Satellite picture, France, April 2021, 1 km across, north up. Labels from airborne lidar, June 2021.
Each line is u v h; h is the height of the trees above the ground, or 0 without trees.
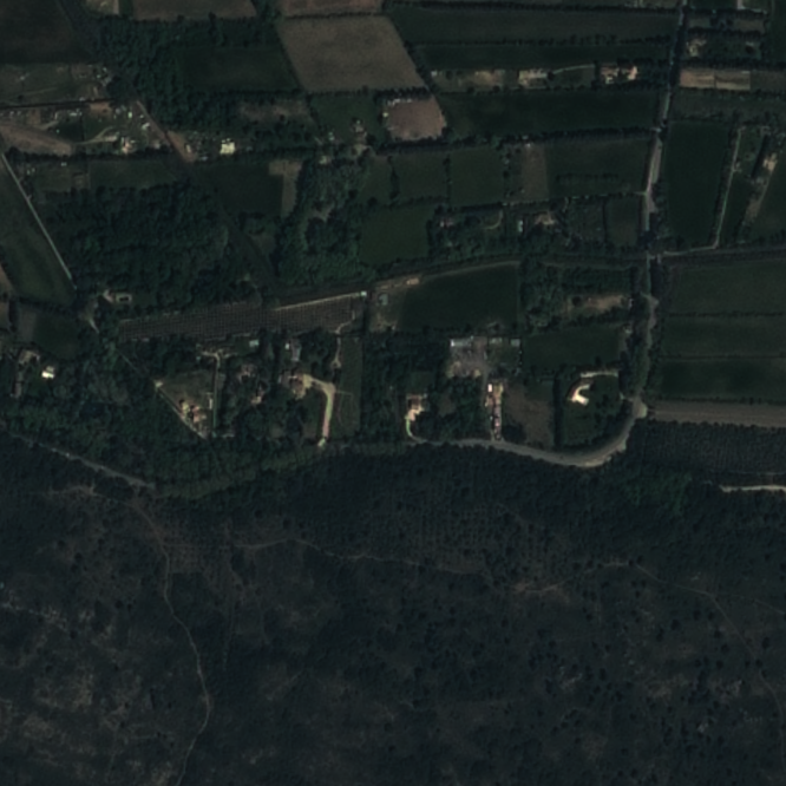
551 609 0
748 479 6
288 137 13
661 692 0
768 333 0
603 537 8
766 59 8
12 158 13
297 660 6
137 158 9
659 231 12
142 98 15
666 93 9
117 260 18
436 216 6
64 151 0
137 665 0
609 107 0
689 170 0
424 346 7
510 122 0
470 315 0
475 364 0
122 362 14
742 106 0
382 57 0
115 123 0
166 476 17
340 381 12
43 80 0
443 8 15
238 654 7
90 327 8
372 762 0
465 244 23
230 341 10
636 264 7
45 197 6
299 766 0
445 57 0
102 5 0
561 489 7
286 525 8
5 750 0
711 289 0
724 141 0
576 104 0
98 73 6
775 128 8
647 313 17
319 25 0
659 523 9
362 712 0
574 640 0
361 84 0
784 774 0
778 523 12
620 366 9
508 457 9
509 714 9
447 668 11
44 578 0
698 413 0
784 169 0
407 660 0
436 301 0
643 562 11
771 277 0
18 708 0
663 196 11
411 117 0
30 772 0
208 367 7
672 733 10
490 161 0
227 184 0
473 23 0
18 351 8
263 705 0
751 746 0
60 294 0
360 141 0
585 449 11
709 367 0
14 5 0
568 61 0
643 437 7
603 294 8
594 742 0
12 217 0
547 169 0
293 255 23
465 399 10
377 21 0
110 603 0
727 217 0
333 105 0
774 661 0
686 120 6
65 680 0
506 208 13
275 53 0
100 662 0
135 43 19
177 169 6
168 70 19
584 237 7
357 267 19
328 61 0
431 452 9
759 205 0
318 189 26
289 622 0
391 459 9
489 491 8
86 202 11
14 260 0
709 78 0
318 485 13
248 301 18
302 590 0
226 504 15
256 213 0
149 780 0
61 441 10
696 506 7
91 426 9
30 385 6
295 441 23
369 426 14
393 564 6
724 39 12
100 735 0
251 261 7
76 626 0
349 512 8
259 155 14
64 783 0
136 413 10
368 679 6
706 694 10
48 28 0
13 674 0
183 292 18
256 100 7
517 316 0
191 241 28
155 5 0
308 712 0
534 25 0
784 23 0
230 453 18
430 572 6
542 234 15
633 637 0
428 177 0
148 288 13
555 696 7
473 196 0
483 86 0
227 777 0
